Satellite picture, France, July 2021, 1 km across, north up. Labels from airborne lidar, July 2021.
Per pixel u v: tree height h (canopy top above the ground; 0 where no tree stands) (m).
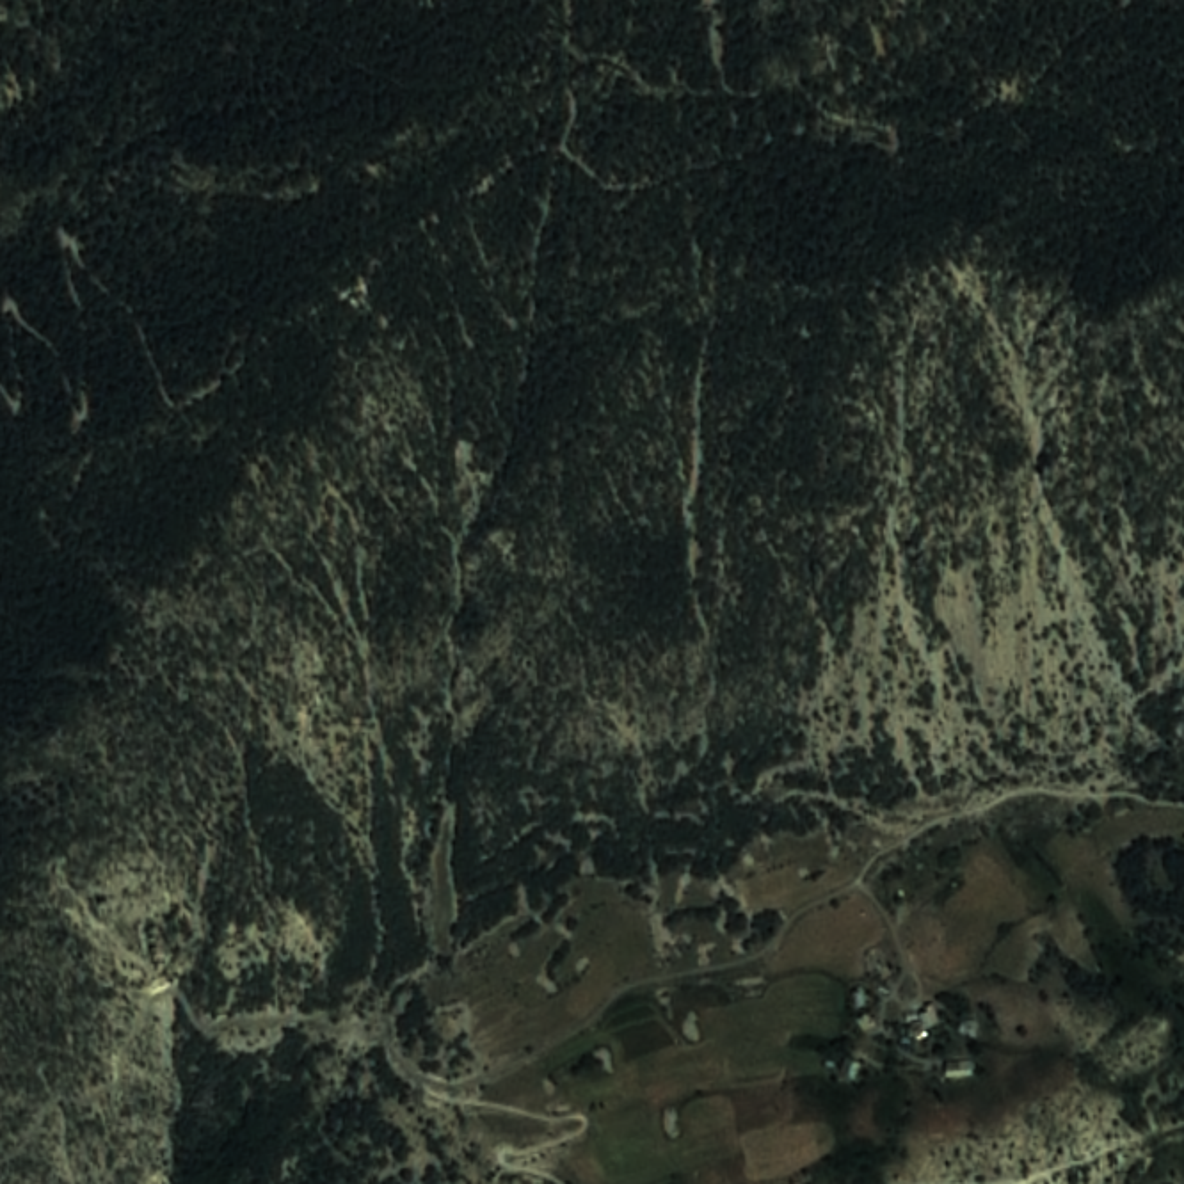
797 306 9
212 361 7
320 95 10
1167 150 9
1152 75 6
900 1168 0
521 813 6
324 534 7
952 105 8
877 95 12
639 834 5
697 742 6
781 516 7
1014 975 0
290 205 9
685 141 7
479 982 0
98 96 7
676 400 8
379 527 6
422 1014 6
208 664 7
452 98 13
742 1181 0
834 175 13
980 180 9
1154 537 6
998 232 6
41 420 7
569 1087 0
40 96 11
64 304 6
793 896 0
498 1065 0
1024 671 0
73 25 7
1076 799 0
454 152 11
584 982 0
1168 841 9
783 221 11
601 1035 0
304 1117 7
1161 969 8
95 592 10
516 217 10
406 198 10
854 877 0
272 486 9
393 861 6
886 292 10
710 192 9
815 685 7
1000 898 0
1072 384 6
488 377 5
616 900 0
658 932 0
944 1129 0
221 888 6
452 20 8
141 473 7
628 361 6
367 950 7
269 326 12
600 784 6
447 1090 0
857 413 8
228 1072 6
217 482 8
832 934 0
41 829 7
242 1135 9
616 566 7
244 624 7
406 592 7
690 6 7
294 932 0
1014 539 6
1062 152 7
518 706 6
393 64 11
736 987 0
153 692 7
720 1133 0
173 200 8
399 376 8
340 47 7
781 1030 0
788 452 7
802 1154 0
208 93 12
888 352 8
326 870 6
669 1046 0
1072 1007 0
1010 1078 0
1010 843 0
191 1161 6
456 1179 7
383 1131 7
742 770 8
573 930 8
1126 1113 7
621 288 9
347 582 8
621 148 11
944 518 6
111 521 11
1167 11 14
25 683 12
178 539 12
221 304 6
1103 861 0
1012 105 10
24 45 12
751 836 9
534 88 8
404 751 5
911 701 6
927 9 8
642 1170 0
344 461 8
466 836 5
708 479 6
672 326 8
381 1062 5
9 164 9
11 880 8
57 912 7
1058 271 9
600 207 6
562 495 6
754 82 14
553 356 13
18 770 0
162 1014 0
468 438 9
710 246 7
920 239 8
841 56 6
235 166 6
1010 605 0
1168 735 9
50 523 8
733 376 6
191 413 8
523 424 10
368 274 11
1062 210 8
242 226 9
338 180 11
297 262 12
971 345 7
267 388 10
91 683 8
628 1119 0
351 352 6
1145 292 7
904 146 8
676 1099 0
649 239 7
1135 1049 0
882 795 7
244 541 7
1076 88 12
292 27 7
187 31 9
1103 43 7
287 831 6
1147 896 8
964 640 0
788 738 8
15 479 11
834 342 9
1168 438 7
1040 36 7
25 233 11
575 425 7
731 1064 0
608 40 12
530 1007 0
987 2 10
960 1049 0
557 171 8
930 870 0
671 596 8
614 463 7
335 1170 13
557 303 8
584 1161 0
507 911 6
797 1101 0
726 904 6
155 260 10
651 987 0
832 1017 0
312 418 7
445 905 0
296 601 8
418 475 7
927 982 0
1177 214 12
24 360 13
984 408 8
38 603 10
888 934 0
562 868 10
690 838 7
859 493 6
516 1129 0
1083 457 6
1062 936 0
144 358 8
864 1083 7
